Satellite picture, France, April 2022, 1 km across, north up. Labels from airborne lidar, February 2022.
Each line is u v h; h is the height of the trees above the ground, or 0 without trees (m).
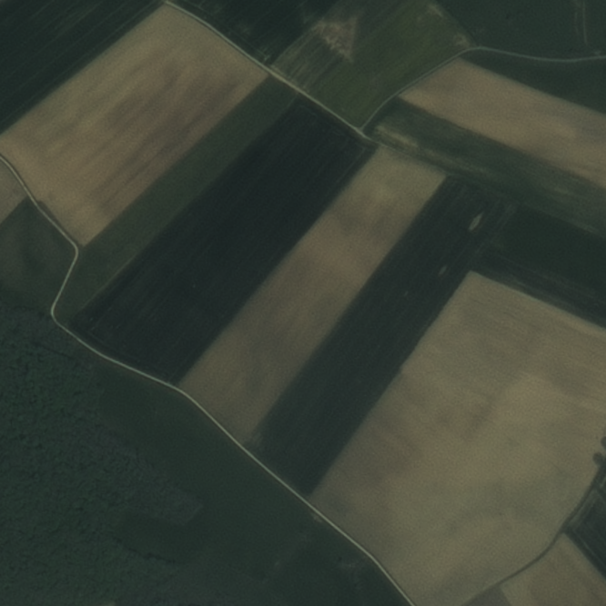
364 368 0
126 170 0
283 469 0
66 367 22
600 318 0
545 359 0
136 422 0
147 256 0
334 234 0
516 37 0
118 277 0
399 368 0
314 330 0
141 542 0
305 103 0
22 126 0
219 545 0
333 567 0
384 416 0
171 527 0
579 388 0
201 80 0
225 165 0
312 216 0
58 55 0
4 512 25
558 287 0
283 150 0
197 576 0
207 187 0
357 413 0
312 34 0
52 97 0
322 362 0
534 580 0
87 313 0
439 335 0
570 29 0
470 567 0
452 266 0
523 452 0
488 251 0
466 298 0
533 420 0
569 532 0
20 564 24
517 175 0
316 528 0
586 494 0
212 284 0
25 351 22
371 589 0
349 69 0
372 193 0
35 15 0
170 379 0
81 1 0
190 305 0
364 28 0
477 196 0
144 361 0
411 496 0
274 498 0
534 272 0
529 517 0
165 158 0
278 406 0
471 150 0
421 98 0
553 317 0
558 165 0
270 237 0
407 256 0
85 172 0
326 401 0
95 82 0
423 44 0
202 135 0
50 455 24
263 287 0
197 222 0
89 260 0
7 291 0
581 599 0
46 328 20
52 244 0
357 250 0
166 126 0
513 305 0
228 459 0
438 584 0
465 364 0
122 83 0
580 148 0
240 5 0
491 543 0
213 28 0
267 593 0
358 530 0
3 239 0
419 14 0
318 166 0
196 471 0
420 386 0
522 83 0
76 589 20
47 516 23
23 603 27
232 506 0
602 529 0
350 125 0
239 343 0
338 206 0
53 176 0
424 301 0
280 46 0
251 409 0
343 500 0
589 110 0
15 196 0
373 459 0
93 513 23
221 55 0
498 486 0
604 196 0
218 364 0
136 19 0
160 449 0
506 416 0
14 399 25
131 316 0
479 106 0
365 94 0
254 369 0
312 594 0
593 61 0
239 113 0
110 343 0
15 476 27
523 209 0
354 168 0
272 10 0
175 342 0
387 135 0
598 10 0
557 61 0
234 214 0
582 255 0
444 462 0
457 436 0
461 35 0
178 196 0
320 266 0
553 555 0
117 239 0
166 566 18
